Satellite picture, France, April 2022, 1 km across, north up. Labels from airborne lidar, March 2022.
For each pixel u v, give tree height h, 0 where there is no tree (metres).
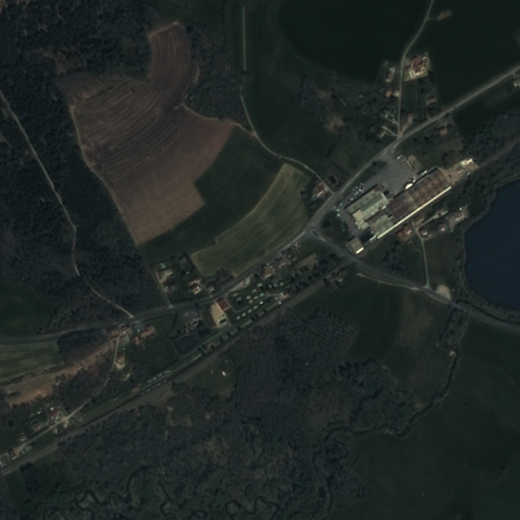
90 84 24
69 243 17
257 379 15
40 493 24
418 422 0
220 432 16
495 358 0
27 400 0
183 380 0
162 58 0
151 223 0
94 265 17
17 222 25
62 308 12
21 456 0
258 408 16
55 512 11
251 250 0
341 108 0
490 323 0
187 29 0
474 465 0
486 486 0
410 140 0
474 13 0
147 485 12
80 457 6
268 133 0
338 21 0
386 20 0
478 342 0
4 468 0
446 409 0
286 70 0
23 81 20
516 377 0
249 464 0
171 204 0
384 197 0
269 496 0
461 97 0
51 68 6
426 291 0
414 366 0
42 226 24
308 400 19
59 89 24
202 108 13
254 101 0
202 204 0
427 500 0
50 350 0
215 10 0
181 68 0
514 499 0
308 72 0
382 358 0
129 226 0
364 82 0
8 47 18
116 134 0
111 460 7
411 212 0
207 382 0
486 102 0
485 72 0
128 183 0
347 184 0
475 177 9
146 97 0
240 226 0
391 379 0
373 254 0
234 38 0
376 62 0
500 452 0
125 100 0
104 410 0
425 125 0
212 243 0
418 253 0
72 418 0
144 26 18
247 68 0
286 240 0
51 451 0
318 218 0
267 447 7
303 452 21
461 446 0
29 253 19
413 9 0
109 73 24
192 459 28
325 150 0
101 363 0
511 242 0
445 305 0
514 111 0
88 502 0
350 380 13
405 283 0
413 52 0
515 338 0
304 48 0
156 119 0
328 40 0
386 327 0
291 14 0
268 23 0
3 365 0
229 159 0
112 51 16
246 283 0
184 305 0
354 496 20
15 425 0
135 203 0
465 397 0
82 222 13
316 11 0
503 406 0
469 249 0
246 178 0
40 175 24
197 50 21
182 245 0
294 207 0
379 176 0
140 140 0
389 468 0
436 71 0
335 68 0
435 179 0
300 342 22
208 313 0
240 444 0
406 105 0
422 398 0
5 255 18
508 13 0
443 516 0
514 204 0
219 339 0
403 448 0
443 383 0
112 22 18
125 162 0
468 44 0
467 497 0
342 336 23
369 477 0
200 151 0
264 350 14
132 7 27
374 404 25
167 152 0
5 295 0
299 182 0
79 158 10
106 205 14
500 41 0
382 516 0
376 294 0
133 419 13
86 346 20
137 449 12
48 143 23
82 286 26
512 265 0
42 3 17
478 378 0
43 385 0
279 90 0
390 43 0
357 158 0
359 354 0
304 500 21
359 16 0
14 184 25
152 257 0
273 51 0
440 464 0
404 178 0
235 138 0
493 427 0
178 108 0
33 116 21
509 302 0
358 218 0
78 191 11
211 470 13
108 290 18
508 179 0
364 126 8
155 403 0
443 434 0
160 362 0
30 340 0
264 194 0
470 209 0
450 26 0
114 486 6
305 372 19
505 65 0
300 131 0
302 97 16
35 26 9
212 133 0
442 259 0
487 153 13
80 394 11
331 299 0
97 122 0
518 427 0
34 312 0
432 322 0
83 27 18
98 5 14
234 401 16
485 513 0
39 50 20
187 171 0
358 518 0
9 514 16
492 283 0
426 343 0
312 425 0
